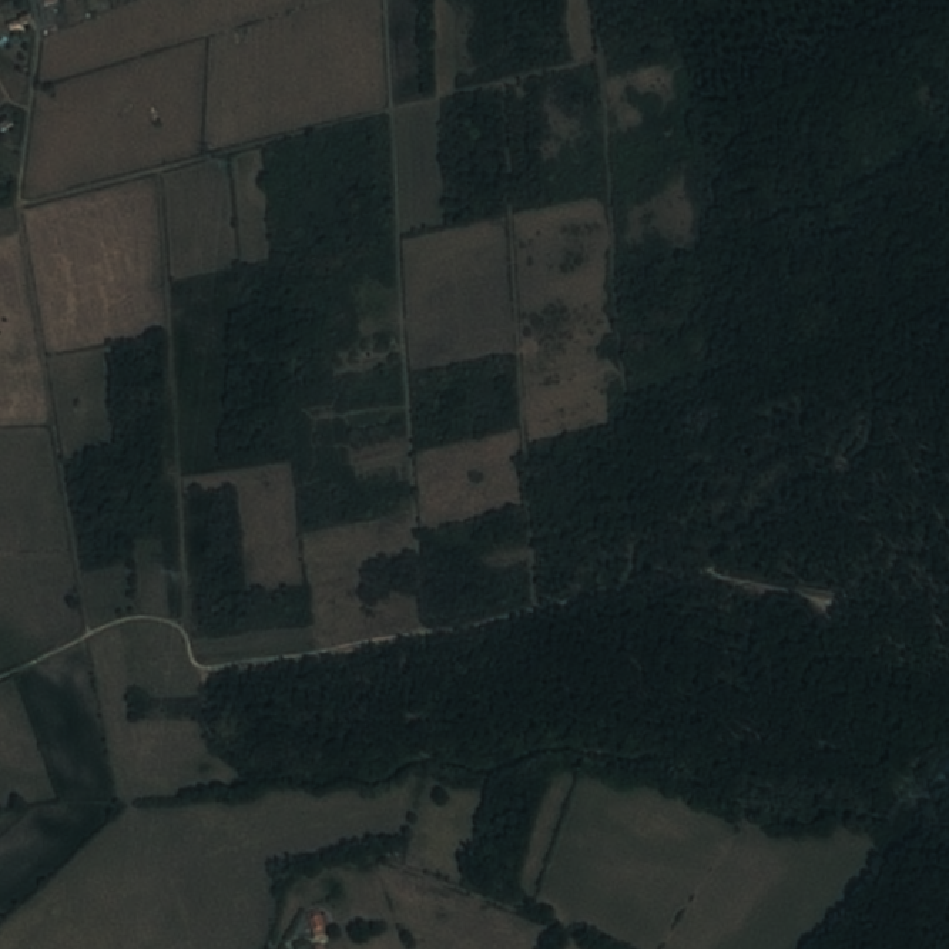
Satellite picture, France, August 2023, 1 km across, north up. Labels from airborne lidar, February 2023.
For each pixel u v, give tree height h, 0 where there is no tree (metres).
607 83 0
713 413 18
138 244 0
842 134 10
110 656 0
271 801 0
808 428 17
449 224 11
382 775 14
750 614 15
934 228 16
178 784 0
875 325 13
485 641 14
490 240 0
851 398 13
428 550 11
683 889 0
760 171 12
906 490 18
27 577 0
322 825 0
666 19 13
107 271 0
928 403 19
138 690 7
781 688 21
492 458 0
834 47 22
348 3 0
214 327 0
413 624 0
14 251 0
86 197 0
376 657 17
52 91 11
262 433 12
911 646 16
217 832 0
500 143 8
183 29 0
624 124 0
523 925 0
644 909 0
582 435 7
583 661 19
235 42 0
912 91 20
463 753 18
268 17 0
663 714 24
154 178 0
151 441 8
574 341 0
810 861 0
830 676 25
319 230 8
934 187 20
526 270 0
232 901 0
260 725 20
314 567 0
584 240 0
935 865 19
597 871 0
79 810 0
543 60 8
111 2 0
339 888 0
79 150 0
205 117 0
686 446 13
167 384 16
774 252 13
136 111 0
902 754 21
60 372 0
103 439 0
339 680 17
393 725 15
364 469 0
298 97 0
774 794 25
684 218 0
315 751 18
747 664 14
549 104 0
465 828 0
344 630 0
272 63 0
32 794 0
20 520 0
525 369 0
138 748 0
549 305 0
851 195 18
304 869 13
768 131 20
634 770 24
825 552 18
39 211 0
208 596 9
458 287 0
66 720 0
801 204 8
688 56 10
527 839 19
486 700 18
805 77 21
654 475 12
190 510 0
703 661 20
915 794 8
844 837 0
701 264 10
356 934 17
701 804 24
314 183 8
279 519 0
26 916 0
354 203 7
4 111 6
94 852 0
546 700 22
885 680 21
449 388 8
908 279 16
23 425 0
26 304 0
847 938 24
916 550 17
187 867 0
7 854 0
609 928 0
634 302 13
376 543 0
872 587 17
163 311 0
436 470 0
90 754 0
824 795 25
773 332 19
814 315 12
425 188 0
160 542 0
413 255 0
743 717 23
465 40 0
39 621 0
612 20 13
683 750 23
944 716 24
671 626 22
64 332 0
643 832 0
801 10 7
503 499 0
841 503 19
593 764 14
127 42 0
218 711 10
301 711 20
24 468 0
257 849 0
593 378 0
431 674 17
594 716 23
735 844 0
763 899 0
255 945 0
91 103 0
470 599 17
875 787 19
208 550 12
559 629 19
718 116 12
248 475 0
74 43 0
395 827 0
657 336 11
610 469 13
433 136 0
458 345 0
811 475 0
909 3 13
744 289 12
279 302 8
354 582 0
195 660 0
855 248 14
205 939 0
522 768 23
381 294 0
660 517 15
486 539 11
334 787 13
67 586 0
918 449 15
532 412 0
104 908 0
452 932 0
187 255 0
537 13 14
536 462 8
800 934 0
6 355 0
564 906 0
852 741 23
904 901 26
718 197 11
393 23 0
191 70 0
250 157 0
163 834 0
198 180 0
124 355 13
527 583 8
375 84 0
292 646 0
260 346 11
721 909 0
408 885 0
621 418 6
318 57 0
